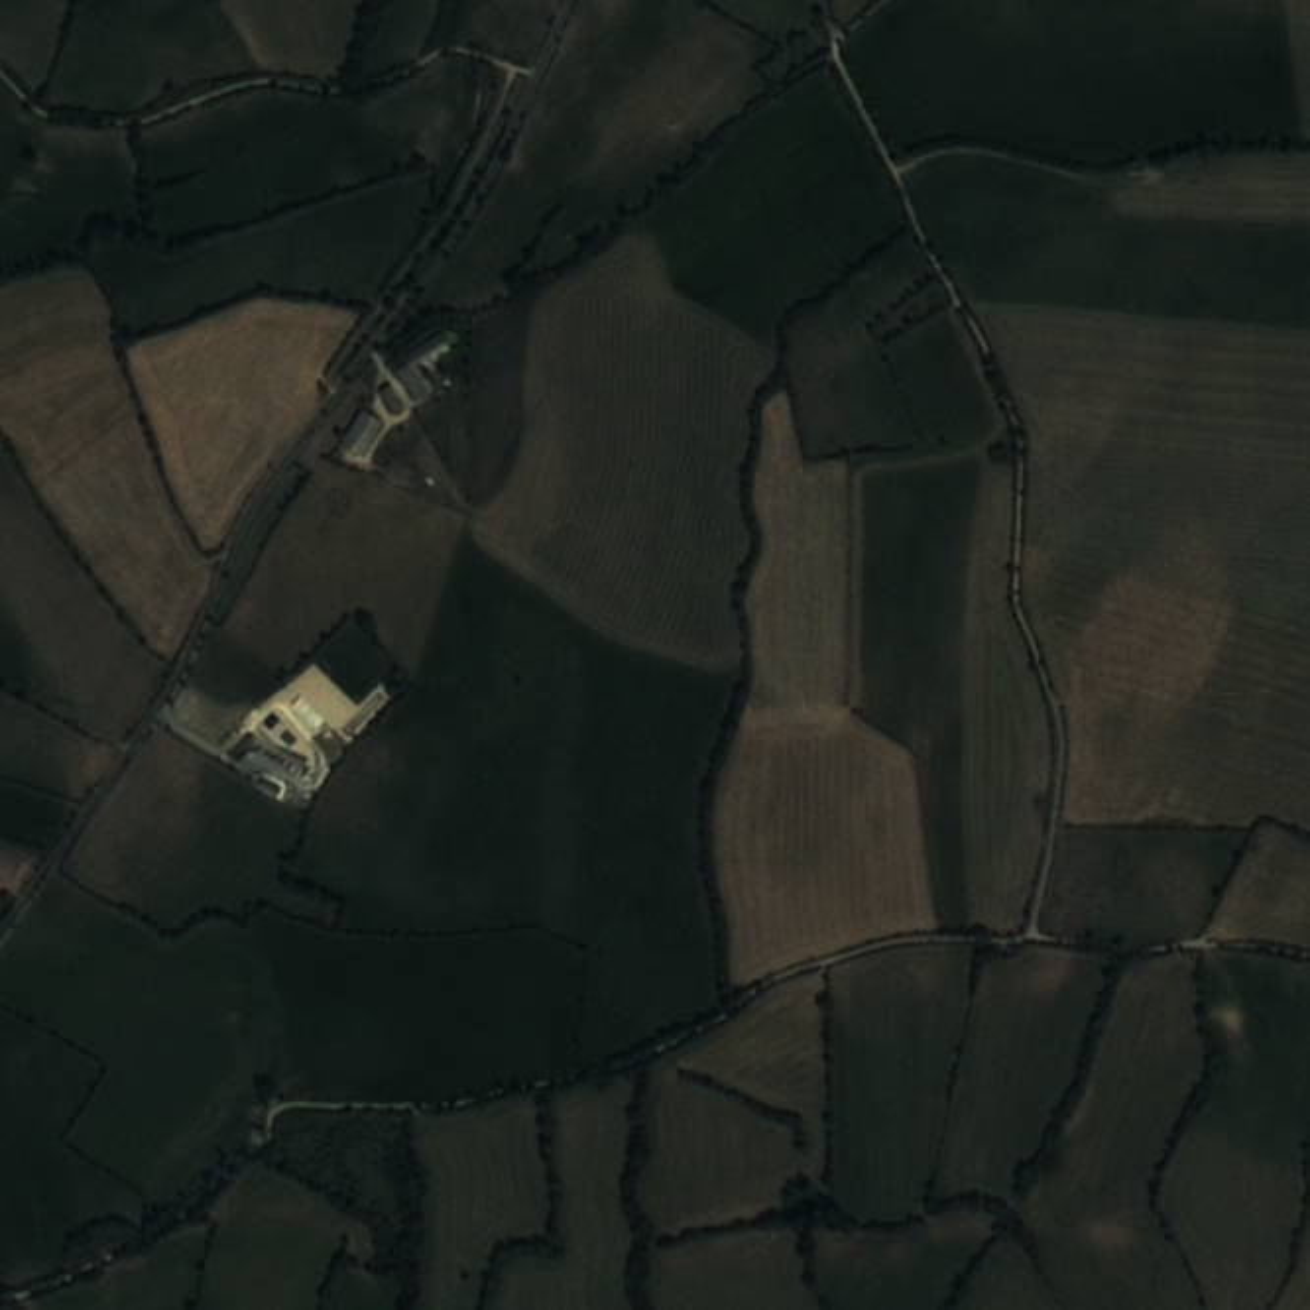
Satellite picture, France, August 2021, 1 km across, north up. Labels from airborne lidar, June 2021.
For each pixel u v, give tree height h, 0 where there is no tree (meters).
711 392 0
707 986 0
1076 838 0
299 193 0
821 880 0
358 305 7
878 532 0
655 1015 0
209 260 0
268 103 0
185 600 0
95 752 0
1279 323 0
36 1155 0
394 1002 0
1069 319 0
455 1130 0
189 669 7
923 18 0
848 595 0
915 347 0
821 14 11
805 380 0
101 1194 0
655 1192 0
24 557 0
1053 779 0
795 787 0
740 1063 0
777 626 0
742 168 0
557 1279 0
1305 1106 0
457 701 0
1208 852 0
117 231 19
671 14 0
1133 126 0
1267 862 0
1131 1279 0
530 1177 0
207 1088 0
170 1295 0
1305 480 0
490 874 0
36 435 0
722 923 7
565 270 8
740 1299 0
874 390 0
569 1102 0
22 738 0
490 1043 0
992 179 0
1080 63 0
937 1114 0
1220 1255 0
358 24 7
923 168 0
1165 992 0
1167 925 0
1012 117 0
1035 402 0
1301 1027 0
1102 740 0
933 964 0
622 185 0
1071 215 0
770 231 0
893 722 0
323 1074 0
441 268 0
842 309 0
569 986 0
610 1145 0
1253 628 0
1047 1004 0
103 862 0
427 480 0
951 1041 0
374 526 0
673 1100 0
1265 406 0
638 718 0
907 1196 0
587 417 0
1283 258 0
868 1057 0
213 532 0
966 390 0
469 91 0
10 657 0
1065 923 0
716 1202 0
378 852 0
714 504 0
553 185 0
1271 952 8
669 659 0
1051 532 0
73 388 0
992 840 0
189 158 0
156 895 0
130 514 0
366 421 0
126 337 14
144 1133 0
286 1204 0
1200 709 0
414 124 0
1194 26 0
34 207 0
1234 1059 0
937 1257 0
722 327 0
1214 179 0
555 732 0
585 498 0
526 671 0
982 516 0
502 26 0
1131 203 0
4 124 0
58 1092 0
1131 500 0
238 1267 0
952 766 0
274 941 0
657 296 0
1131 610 0
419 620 0
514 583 0
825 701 0
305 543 0
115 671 0
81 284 0
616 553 0
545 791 0
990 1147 0
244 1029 0
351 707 0
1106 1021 8
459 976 0
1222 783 0
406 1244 13
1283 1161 0
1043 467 0
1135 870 0
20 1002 0
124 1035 0
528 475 0
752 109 6
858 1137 0
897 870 0
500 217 0
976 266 0
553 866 0
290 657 0
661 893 0
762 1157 0
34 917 0
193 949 0
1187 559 0
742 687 7
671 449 0
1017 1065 0
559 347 0
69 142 0
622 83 0
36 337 0
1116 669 0
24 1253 0
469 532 0
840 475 0
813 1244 9
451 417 0
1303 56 0
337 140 0
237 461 0
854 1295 0
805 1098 0
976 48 0
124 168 0
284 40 0
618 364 0
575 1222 0
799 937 0
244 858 0
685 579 0
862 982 0
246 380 0
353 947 0
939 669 0
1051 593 0
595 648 0
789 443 0
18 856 0
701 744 0
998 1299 0
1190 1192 0
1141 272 0
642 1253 10
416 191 0
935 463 0
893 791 0
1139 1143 0
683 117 0
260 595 0
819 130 0
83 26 0
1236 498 0
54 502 0
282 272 0
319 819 0
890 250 6
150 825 0
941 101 0
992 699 0
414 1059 0
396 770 0
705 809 8
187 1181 0
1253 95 0
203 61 0
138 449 0
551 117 0
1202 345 0
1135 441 0
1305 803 0
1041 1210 0
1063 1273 0
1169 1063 0
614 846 0
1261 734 0
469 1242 0
